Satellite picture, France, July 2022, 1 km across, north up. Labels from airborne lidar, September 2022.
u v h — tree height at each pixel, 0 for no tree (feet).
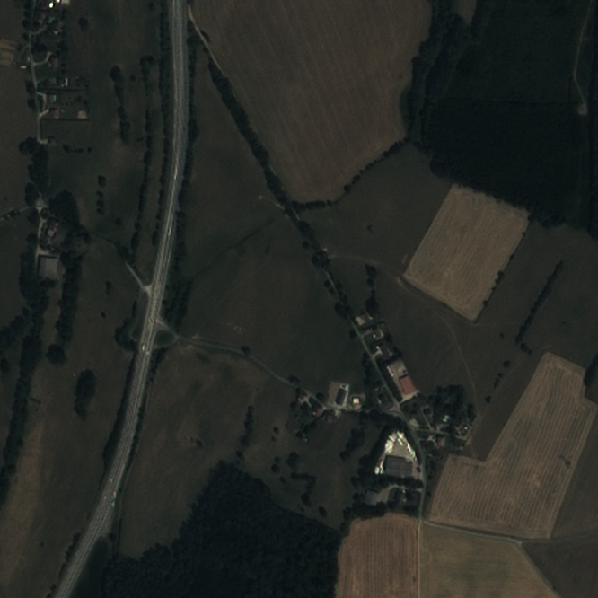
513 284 0
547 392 0
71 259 58
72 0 0
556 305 0
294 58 0
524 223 0
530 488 0
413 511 55
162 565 77
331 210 0
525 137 29
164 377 0
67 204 69
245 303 0
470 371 0
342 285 49
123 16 0
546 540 0
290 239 0
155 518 0
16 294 0
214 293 0
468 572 0
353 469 0
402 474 0
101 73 0
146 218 0
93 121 0
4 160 0
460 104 27
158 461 0
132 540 0
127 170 0
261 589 79
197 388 0
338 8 0
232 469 76
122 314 0
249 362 0
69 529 0
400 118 0
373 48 0
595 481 0
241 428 0
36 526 0
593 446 0
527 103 26
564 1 24
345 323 0
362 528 0
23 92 0
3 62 0
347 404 0
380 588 0
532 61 23
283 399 0
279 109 0
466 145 33
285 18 0
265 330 0
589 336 0
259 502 86
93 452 0
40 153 83
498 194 41
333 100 0
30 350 79
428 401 21
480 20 72
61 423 0
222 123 0
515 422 0
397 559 0
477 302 0
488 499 0
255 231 0
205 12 0
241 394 0
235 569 71
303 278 0
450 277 0
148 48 0
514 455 0
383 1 0
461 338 0
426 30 0
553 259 0
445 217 0
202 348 0
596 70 64
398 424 42
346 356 0
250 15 0
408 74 0
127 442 0
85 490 0
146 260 0
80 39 0
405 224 0
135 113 0
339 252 0
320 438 0
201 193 0
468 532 0
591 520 0
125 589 84
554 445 0
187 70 0
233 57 0
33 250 51
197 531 84
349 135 0
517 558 0
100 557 0
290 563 72
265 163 62
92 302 0
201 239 0
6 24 0
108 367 0
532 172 32
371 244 0
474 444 0
